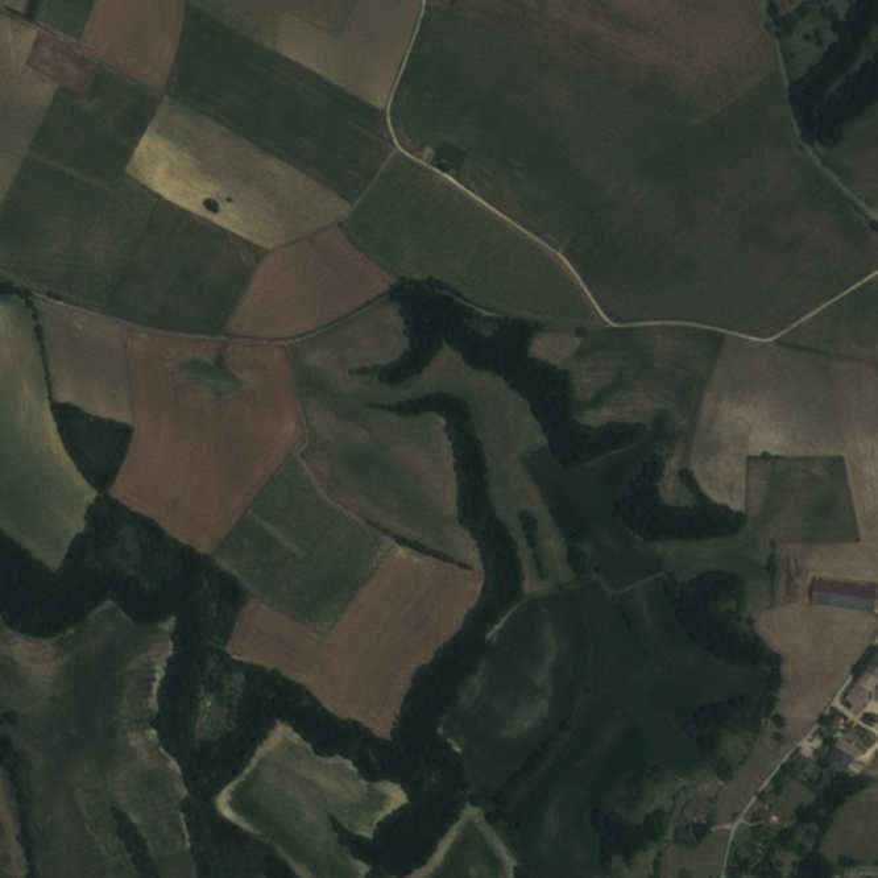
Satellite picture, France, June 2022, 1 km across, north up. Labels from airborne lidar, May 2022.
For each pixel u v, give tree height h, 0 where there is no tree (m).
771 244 0
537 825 0
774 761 0
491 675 0
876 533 0
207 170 0
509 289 0
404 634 0
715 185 0
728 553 0
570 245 0
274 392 0
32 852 12
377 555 0
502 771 0
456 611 0
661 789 0
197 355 0
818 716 0
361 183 0
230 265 0
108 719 0
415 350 11
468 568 8
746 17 0
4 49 0
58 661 0
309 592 0
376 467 0
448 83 0
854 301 0
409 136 0
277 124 0
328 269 0
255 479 0
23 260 0
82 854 0
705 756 14
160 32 0
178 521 0
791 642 0
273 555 0
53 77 0
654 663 0
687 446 0
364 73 0
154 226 0
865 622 0
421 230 0
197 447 0
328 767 0
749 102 0
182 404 0
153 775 0
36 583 14
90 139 0
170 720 12
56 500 0
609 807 0
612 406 0
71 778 0
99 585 16
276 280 0
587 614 0
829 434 0
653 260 0
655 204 0
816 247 0
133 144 0
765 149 0
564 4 0
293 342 0
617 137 0
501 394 0
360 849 14
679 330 0
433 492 0
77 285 0
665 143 0
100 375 0
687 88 0
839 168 0
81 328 0
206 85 0
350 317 0
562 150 0
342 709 0
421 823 15
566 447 17
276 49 0
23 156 0
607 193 0
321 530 0
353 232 0
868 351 0
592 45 0
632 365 0
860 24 21
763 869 8
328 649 0
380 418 0
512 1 0
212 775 11
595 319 0
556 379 14
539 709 0
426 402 12
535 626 0
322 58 0
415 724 19
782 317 0
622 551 0
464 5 0
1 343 0
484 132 0
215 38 0
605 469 0
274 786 0
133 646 0
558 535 0
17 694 0
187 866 0
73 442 7
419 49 0
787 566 0
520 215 0
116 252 0
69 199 0
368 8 0
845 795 16
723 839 0
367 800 0
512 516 0
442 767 12
